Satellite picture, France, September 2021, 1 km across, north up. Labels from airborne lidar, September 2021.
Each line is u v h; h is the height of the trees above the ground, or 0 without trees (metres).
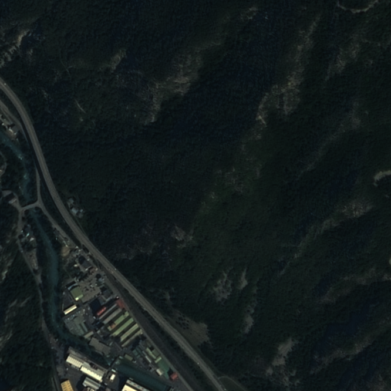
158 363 0
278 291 18
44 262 27
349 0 12
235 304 14
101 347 0
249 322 0
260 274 15
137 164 19
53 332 22
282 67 11
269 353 16
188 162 14
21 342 9
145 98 6
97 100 19
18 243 12
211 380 0
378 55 14
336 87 19
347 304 16
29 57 6
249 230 20
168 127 20
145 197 18
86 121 17
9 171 10
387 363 8
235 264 15
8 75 17
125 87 7
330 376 10
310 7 12
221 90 13
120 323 0
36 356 14
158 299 6
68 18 18
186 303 15
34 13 11
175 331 0
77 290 0
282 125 22
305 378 13
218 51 15
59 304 19
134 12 13
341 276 10
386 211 15
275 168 23
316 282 11
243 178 9
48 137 20
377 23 15
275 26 6
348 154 21
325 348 12
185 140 15
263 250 20
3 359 14
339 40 8
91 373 0
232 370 15
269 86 11
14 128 0
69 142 16
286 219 20
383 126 13
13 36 8
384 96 21
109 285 0
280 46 12
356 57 8
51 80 8
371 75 18
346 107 11
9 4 10
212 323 16
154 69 12
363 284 11
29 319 7
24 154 22
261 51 9
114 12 15
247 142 8
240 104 11
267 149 17
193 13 16
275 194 18
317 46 21
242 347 14
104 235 14
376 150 17
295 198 22
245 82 12
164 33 16
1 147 13
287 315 19
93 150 15
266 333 18
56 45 19
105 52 7
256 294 7
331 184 14
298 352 15
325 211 13
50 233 21
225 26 14
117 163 19
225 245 18
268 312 16
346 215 10
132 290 0
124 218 6
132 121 14
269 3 13
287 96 5
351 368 11
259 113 7
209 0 13
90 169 13
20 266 7
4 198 20
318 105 21
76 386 0
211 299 10
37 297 16
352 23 14
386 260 9
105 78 11
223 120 16
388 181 24
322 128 12
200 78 12
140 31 15
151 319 9
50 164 19
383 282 21
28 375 23
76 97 12
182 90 17
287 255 9
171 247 7
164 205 18
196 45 9
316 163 13
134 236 7
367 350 21
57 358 0
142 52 13
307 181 22
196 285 18
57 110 17
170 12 16
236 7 16
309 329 17
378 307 7
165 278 15
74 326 0
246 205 9
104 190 19
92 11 17
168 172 11
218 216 23
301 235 8
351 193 9
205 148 10
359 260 11
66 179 15
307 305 15
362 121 12
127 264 17
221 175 8
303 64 9
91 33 14
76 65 9
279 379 9
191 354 0
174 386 0
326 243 24
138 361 0
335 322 13
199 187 12
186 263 22
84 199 18
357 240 11
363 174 14
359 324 20
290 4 9
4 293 18
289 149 24
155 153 12
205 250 20
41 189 7
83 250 0
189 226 9
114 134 17
